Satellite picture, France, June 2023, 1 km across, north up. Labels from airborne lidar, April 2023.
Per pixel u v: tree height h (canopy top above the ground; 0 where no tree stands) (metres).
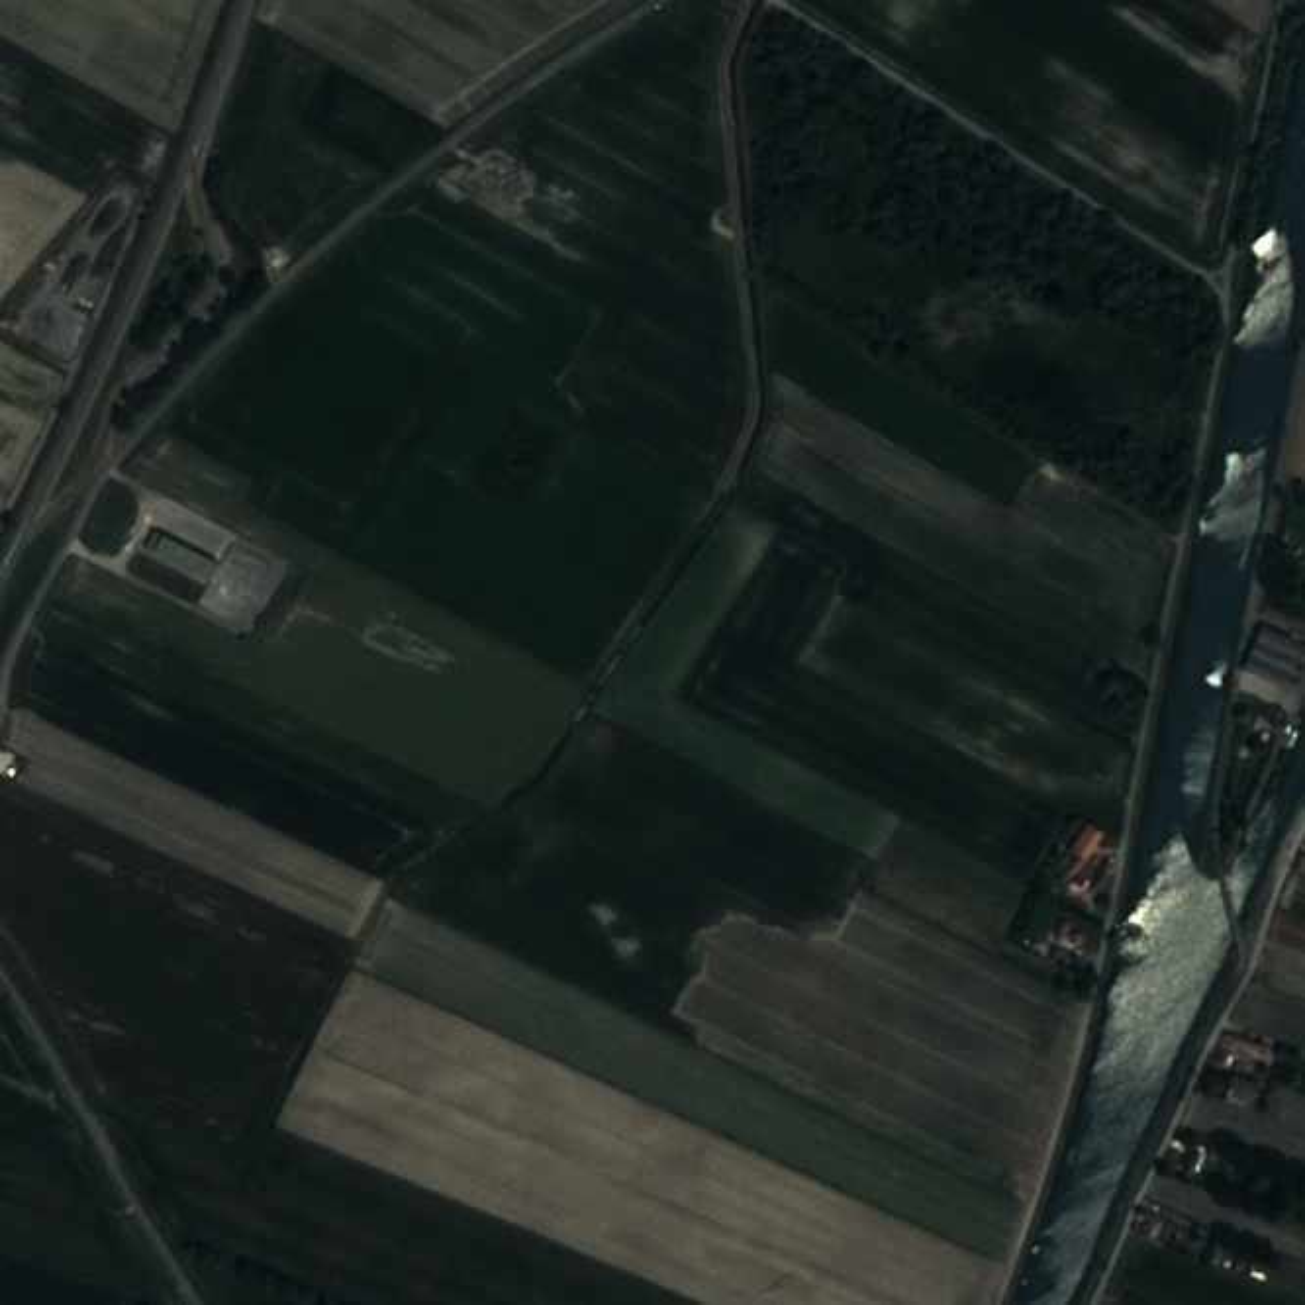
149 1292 0
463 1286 0
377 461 0
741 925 0
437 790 0
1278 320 0
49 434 0
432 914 0
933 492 0
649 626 0
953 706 0
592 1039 0
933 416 0
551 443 0
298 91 0
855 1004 0
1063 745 0
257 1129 0
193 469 0
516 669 0
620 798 0
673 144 0
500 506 0
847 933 0
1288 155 0
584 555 0
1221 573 0
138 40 0
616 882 0
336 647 0
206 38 0
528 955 0
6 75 0
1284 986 0
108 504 0
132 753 0
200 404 0
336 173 0
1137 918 0
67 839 0
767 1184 0
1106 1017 0
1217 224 0
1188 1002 0
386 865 0
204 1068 0
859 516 0
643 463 0
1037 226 15
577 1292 0
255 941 0
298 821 0
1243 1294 0
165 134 0
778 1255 0
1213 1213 0
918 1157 0
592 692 0
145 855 0
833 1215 0
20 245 0
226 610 0
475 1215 0
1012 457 0
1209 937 0
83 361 0
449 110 0
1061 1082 0
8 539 0
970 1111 0
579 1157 0
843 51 8
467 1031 0
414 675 0
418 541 0
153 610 0
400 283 0
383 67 0
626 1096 0
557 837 0
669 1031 0
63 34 0
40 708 0
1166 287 11
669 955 0
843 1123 0
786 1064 0
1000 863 0
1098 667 0
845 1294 0
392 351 0
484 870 0
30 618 0
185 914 0
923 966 0
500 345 0
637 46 0
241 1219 0
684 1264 0
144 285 0
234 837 0
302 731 0
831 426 0
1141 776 0
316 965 0
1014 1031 0
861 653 0
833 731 0
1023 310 0
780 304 0
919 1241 0
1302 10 7
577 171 0
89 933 0
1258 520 0
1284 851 0
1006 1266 0
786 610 0
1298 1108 0
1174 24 0
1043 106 0
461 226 0
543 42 0
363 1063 0
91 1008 0
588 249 0
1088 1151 0
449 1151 0
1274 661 0
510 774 0
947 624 0
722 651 0
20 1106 0
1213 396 0
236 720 0
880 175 0
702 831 0
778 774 0
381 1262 0
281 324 0
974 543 0
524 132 0
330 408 0
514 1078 0
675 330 0
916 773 0
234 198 0
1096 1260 0
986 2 0
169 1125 0
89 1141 0
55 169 0
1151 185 0
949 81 0
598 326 0
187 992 0
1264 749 13
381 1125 0
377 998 0
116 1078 0
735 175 0
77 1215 0
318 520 0
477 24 0
